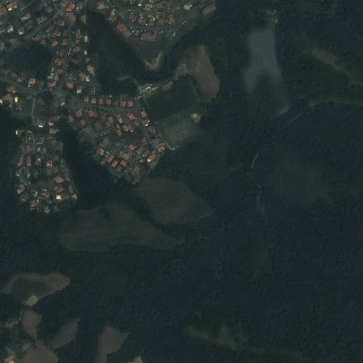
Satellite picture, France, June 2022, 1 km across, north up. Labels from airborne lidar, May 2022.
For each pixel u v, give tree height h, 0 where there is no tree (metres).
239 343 11
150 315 15
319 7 0
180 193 0
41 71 22
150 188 0
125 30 0
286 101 0
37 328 11
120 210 0
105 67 12
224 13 24
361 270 17
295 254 19
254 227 16
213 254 7
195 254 15
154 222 15
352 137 19
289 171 0
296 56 14
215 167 8
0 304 14
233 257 20
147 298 22
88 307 16
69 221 0
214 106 11
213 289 19
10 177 20
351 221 21
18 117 0
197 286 20
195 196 0
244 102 13
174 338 16
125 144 0
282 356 0
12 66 21
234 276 24
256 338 16
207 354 7
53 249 18
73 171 16
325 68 0
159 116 0
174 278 21
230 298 21
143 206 21
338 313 22
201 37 21
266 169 17
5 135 28
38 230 10
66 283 0
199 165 9
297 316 23
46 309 21
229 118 19
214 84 0
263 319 23
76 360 18
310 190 0
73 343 15
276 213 21
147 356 18
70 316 19
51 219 17
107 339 0
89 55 10
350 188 0
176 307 18
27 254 9
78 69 21
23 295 0
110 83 8
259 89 0
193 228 23
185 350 25
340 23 17
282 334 16
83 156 16
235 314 12
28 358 0
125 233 0
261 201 12
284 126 15
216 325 0
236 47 13
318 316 19
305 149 19
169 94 0
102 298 14
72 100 0
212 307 16
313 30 21
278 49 18
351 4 17
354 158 18
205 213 0
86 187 22
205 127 10
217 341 0
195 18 0
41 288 0
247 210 29
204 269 23
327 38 17
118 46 10
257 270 0
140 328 25
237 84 17
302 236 18
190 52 0
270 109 0
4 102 6
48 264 11
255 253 0
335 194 6
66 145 21
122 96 0
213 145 7
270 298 25
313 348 10
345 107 7
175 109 0
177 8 0
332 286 21
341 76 0
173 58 22
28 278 0
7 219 15
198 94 6
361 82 0
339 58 0
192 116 0
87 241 0
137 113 0
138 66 11
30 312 0
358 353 19
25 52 14
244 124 18
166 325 23
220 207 18
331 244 12
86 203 18
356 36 17
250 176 22
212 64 10
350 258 16
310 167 0
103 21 12
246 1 20
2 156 24
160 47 0
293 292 28
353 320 18
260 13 17
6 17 0
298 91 12
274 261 14
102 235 0
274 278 25
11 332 0
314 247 12
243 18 18
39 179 11
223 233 18
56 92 0
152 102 0
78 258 25
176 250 22
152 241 0
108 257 20
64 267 20
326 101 0
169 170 13
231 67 18
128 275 8
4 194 11
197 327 0
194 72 0
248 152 20
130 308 22
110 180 16
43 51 17
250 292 21
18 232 12
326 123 22
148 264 21
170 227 15
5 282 13
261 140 18
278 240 21
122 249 12
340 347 16
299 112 14
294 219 19
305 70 12
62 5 0
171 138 0
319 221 13
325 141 18
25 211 13
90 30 7
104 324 20
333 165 23
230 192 12
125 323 22
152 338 27
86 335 27
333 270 20
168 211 0
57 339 0
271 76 0
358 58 14
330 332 7
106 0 0
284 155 6
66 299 15
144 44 0
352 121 19
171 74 16
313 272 13
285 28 20
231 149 17
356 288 25
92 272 12
